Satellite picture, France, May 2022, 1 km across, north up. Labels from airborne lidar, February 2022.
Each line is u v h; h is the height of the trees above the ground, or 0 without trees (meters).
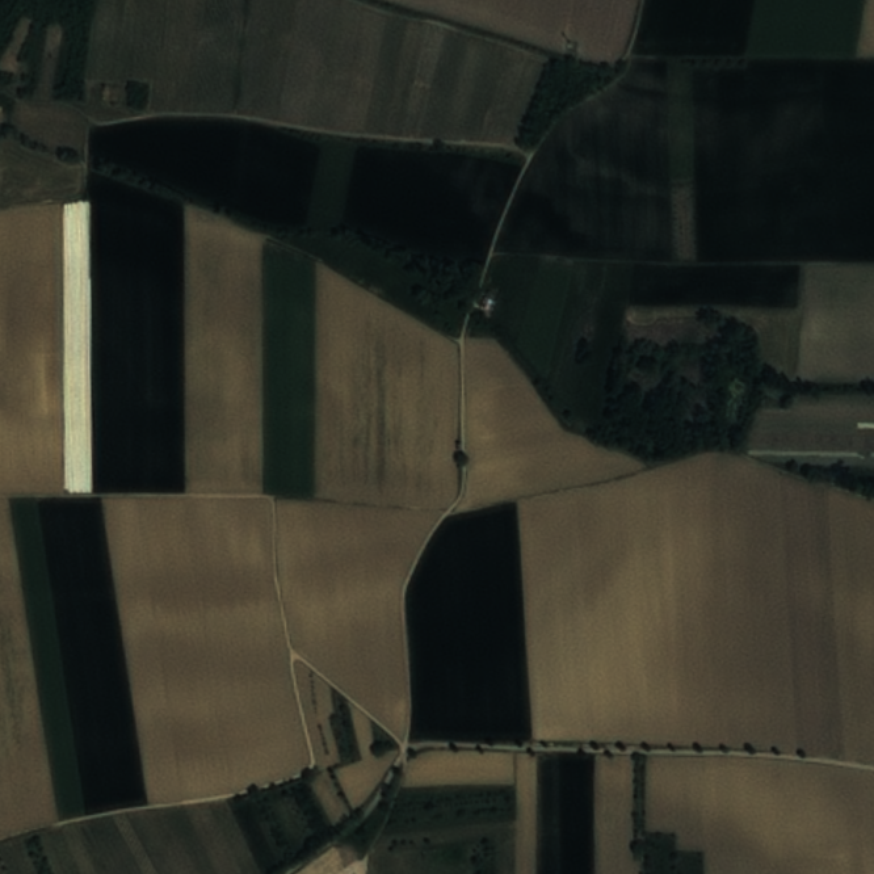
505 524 0
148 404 0
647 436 14
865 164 0
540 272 0
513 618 0
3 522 0
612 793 0
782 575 0
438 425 0
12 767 0
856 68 0
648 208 0
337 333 0
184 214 0
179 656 0
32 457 0
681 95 0
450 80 0
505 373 0
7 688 0
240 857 0
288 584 0
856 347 0
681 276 0
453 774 0
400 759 0
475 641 0
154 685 0
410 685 0
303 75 0
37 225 0
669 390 17
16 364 0
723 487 0
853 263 0
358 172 0
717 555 0
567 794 0
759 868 0
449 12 0
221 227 0
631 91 0
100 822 0
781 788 0
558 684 0
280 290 0
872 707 0
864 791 0
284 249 0
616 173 0
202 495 0
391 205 0
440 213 0
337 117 0
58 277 0
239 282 0
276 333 0
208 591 0
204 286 0
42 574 0
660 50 0
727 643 0
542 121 15
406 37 0
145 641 0
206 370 0
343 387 0
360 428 0
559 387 0
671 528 0
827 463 0
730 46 0
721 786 0
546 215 0
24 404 0
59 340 0
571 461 0
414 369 0
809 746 0
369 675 0
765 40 0
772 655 0
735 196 0
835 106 0
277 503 0
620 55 0
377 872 0
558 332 0
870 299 0
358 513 0
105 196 0
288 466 0
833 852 0
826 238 0
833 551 0
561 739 0
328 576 0
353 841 0
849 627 0
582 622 0
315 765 0
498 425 0
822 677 0
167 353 0
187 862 0
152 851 0
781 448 0
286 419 0
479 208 0
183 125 0
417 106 0
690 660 0
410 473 0
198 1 0
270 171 0
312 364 0
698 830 0
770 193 0
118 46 0
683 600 0
